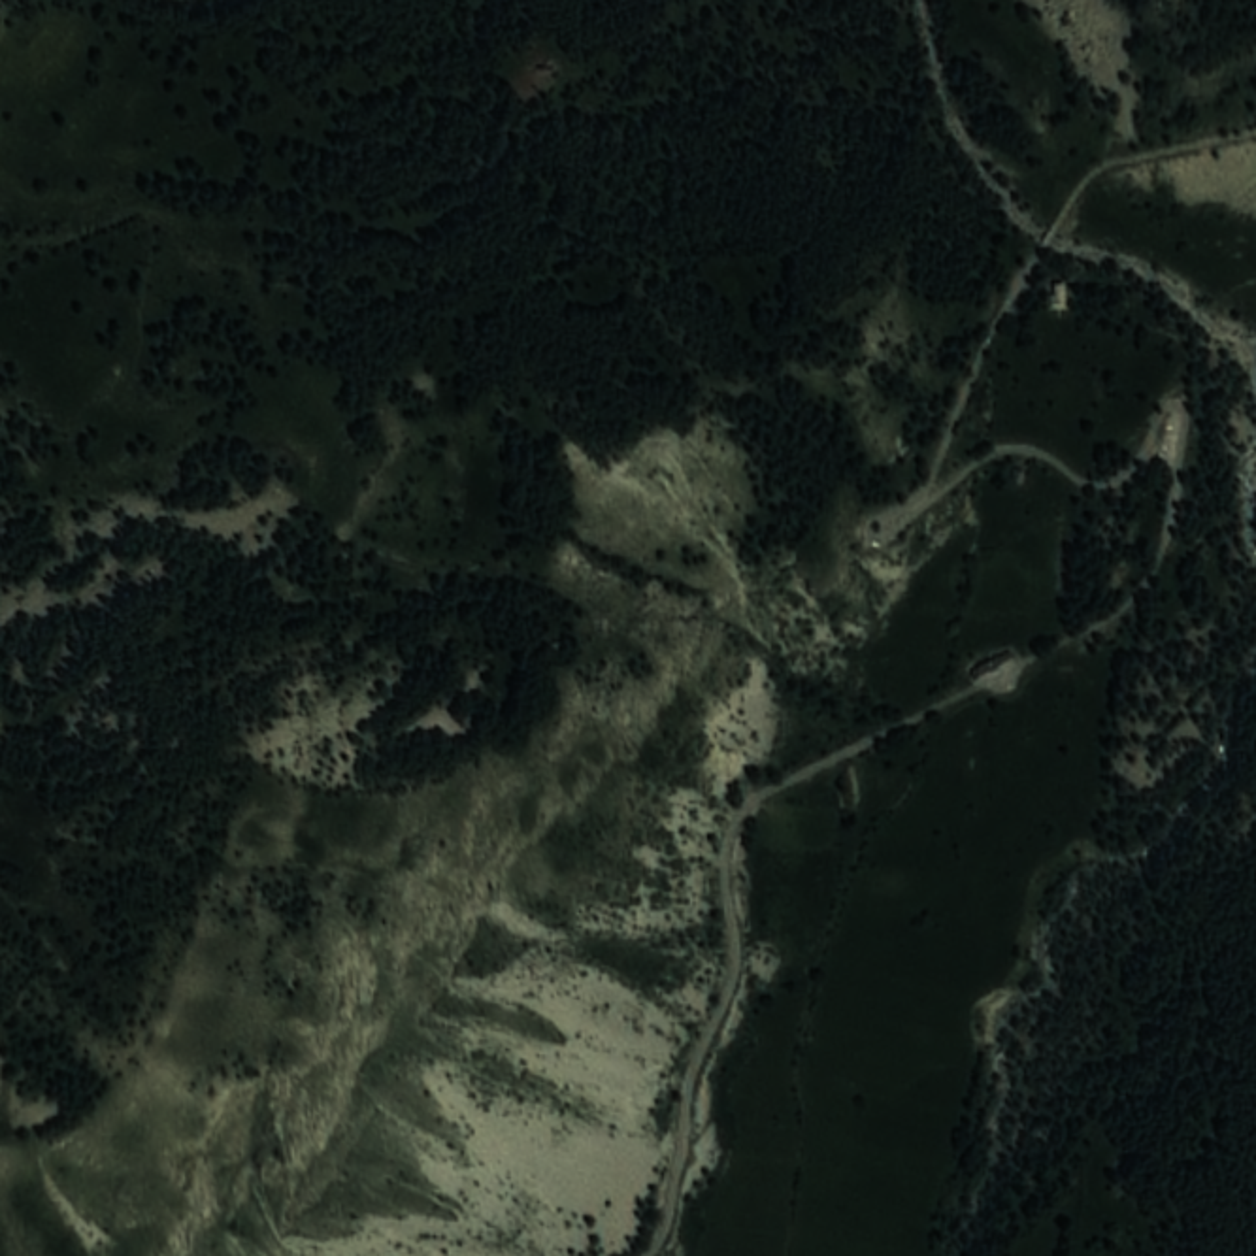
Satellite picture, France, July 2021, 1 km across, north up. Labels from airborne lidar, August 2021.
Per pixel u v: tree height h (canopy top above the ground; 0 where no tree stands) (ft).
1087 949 38
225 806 40
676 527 0
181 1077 0
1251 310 0
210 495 42
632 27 74
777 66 45
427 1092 26
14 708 49
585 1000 0
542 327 67
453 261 52
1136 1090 60
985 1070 28
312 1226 0
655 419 40
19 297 0
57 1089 41
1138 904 50
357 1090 0
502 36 80
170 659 47
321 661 19
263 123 0
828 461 77
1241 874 67
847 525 0
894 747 38
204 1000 0
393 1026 0
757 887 0
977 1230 63
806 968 0
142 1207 0
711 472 0
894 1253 0
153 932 31
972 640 0
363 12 82
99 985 31
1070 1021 42
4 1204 0
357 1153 0
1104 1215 0
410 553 0
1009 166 0
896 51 67
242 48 0
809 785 0
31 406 30
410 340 56
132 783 37
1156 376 0
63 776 49
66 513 0
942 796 0
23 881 24
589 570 0
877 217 79
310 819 0
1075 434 0
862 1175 0
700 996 0
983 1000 0
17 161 0
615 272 43
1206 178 0
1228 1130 71
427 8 71
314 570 52
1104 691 0
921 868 0
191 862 47
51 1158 0
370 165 90
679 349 34
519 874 0
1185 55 26
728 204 78
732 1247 0
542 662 54
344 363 66
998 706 41
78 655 64
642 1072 0
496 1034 0
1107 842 53
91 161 0
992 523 0
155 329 61
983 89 56
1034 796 0
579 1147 0
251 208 54
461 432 0
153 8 76
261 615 60
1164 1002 43
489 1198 0
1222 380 28
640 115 39
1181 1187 55
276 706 31
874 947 0
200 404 0
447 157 72
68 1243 0
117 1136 0
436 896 0
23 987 28
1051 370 34
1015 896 0
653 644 0
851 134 58
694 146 100
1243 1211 48
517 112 62
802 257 53
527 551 51
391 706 45
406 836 0
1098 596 53
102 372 0
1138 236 0
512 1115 0
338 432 0
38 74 0
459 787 0
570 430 27
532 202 84
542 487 84
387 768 47
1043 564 0
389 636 53
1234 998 64
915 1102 0
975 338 41
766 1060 0
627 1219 0
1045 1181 59
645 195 48
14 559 66
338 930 0
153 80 0
